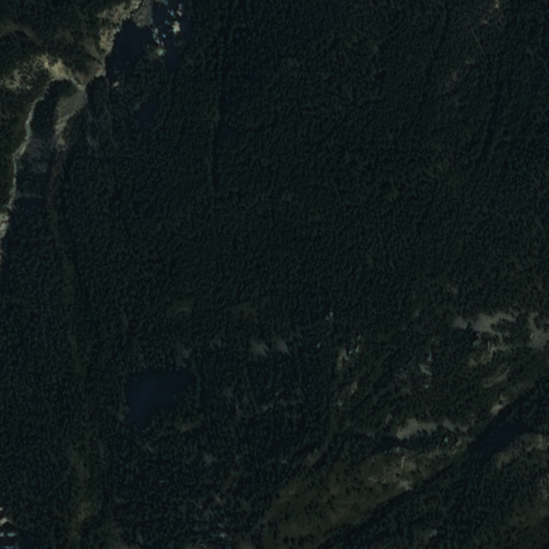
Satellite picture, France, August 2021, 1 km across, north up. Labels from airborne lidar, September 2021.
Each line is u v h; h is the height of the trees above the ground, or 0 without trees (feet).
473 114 75
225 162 66
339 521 0
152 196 54
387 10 70
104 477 24
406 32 89
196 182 55
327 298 54
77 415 72
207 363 23
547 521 23
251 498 34
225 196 49
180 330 31
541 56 46
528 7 70
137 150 45
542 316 57
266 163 42
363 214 34
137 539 31
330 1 36
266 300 44
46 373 62
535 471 29
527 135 62
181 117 71
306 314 51
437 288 28
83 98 0
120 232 57
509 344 41
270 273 24
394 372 33
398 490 0
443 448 28
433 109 56
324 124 64
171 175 55
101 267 44
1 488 31
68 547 56
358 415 36
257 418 41
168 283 66
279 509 0
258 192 40
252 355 27
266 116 60
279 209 40
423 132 59
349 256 43
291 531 0
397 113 76
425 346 49
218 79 75
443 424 0
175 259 54
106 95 58
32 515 47
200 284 47
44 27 58
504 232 59
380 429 26
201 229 62
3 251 28
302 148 59
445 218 34
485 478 33
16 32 0
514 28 62
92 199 43
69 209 53
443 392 53
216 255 46
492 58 88
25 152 0
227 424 36
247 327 35
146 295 50
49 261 47
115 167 56
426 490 32
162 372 25
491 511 58
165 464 25
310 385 34
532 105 31
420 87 88
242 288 41
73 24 62
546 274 61
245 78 73
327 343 23
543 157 64
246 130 60
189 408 41
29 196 0
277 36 54
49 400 52
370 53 95
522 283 20
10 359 49
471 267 31
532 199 25
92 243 40
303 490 0
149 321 60
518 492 34
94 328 30
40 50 71
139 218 37
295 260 40
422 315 26
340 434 19
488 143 27
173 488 32
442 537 21
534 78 33
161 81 51
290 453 24
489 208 31
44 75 38
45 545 50
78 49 53
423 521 20
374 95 72
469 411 45
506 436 24
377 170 69
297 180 62
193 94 79
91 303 44
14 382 42
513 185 43
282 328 24
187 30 0
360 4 48
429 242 33
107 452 24
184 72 49
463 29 31
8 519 0
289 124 66
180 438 38
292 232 56
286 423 41
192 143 65
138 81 45
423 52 63
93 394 26
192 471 35
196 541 24
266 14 73
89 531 26
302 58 68
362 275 24
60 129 0
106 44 0
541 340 0
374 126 60
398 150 61
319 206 40
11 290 38
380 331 54
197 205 56
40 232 30
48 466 43
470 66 28
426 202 56
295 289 25
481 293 41
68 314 36
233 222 53
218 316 35
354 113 71
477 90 74
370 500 0
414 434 23
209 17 77
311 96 55
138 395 0
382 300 48
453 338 28
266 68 64
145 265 47
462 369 36
